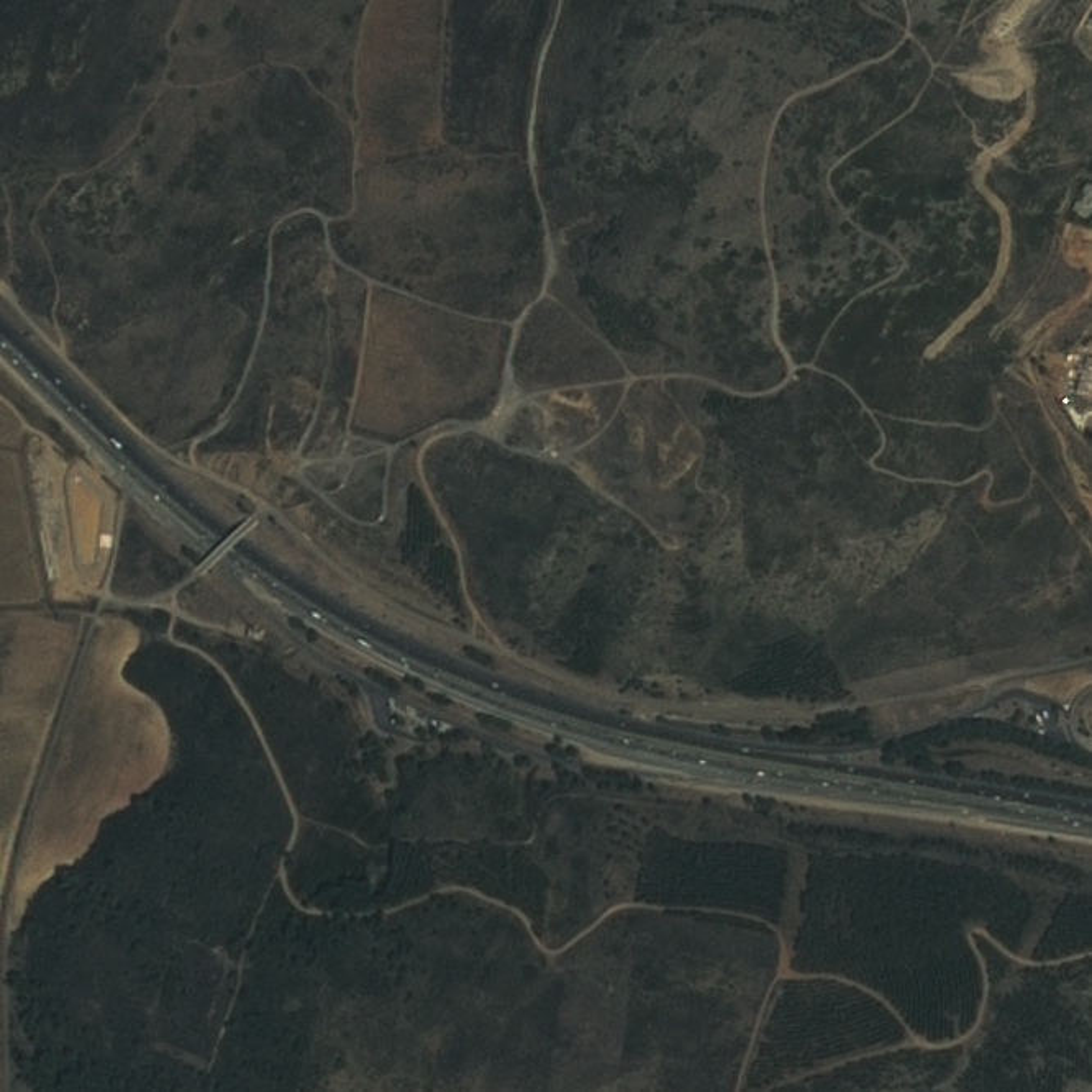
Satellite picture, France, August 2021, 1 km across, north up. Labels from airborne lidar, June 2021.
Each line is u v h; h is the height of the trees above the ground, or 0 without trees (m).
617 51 0
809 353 0
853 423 0
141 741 0
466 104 0
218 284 0
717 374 0
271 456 0
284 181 0
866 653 0
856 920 8
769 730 10
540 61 0
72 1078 11
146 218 0
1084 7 0
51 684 0
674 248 0
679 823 0
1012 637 0
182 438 0
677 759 0
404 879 8
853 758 0
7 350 0
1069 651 0
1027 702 0
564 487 0
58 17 0
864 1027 6
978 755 0
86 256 0
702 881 8
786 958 0
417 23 0
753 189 0
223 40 0
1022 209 0
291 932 13
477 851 7
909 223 0
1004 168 0
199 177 0
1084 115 0
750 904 6
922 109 0
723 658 0
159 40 0
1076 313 0
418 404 0
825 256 0
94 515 0
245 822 0
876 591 0
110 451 0
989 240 0
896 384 0
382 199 0
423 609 0
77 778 0
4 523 0
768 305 0
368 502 0
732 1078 0
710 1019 0
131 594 0
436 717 0
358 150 0
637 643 0
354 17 0
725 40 0
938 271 0
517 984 0
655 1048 0
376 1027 0
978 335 0
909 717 0
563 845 0
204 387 0
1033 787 8
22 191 0
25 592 0
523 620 0
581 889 0
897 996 6
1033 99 0
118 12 0
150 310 0
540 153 0
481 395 0
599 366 0
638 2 0
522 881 6
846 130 0
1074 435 0
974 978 6
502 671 0
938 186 0
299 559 0
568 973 0
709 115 0
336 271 0
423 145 0
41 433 0
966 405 0
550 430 0
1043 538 0
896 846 8
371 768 12
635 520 0
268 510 0
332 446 0
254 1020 6
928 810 0
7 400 0
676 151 0
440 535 7
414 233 0
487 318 0
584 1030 0
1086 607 0
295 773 0
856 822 0
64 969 0
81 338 0
